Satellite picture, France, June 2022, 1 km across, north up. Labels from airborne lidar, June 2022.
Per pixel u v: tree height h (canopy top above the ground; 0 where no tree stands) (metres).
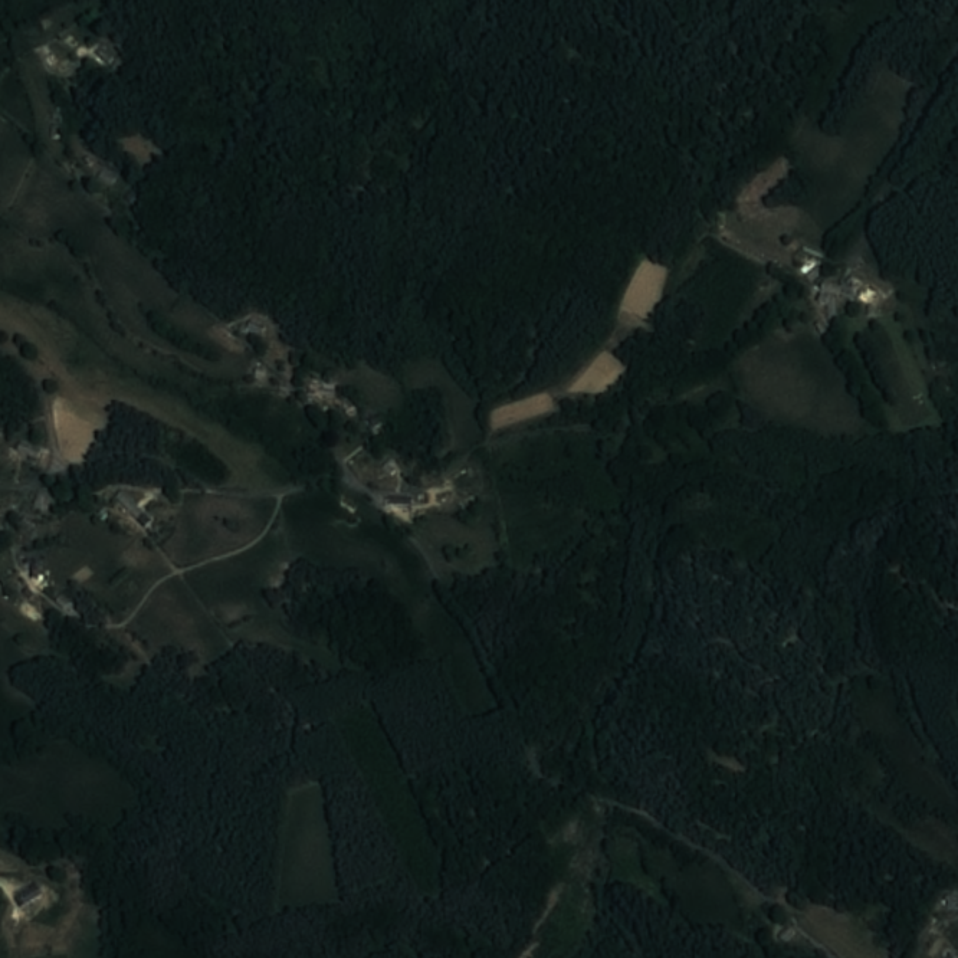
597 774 19
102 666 15
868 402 26
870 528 27
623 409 17
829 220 0
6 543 24
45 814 0
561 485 12
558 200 22
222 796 22
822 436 6
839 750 14
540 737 21
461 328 12
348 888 21
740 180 25
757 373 0
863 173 0
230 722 23
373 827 21
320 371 15
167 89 29
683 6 20
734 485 17
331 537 0
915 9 21
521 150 21
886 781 8
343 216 26
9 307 0
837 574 22
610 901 21
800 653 22
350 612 21
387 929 21
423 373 0
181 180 23
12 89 0
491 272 18
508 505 0
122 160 30
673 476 18
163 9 22
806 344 0
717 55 24
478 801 20
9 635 0
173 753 21
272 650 17
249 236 21
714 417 14
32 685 22
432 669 28
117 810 0
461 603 17
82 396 0
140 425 21
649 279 0
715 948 24
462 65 30
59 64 0
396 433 19
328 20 24
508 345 10
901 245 26
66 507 12
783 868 31
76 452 0
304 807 0
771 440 16
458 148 30
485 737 27
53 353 0
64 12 0
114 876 19
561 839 0
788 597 20
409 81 25
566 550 8
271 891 20
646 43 23
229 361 0
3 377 19
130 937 6
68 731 18
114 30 21
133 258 0
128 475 14
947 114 26
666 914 28
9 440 14
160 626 0
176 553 0
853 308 18
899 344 0
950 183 25
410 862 7
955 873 10
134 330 0
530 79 29
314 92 11
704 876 0
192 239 18
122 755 21
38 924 0
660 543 17
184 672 16
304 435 0
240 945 24
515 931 17
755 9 25
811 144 0
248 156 20
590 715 9
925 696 21
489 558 0
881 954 0
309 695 25
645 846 13
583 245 20
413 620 13
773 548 11
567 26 23
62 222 0
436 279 21
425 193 22
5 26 18
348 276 22
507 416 0
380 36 20
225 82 14
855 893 19
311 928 17
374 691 24
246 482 0
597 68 13
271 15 26
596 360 0
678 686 21
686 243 18
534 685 17
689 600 18
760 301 0
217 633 0
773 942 16
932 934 0
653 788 20
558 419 12
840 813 28
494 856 16
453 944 22
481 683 0
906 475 11
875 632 20
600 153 19
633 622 24
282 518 0
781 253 0
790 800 21
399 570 0
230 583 0
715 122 25
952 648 16
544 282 19
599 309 24
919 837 0
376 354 18
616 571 26
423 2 28
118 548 0
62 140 9
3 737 0
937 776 0
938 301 23
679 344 18
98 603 6
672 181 20
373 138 19
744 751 8
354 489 0
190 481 19
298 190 22
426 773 14
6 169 0
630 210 19
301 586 9
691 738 21
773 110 22
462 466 0
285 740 24
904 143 13
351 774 20
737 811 17
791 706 24
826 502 17
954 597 18
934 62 19
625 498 8
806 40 19
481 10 33
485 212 28
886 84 0
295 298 20
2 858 0
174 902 16
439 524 0
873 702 0
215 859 25
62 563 0
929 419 0
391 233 19
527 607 18
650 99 25
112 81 22
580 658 18
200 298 19
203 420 0
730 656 24
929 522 28
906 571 13
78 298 0
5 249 0
